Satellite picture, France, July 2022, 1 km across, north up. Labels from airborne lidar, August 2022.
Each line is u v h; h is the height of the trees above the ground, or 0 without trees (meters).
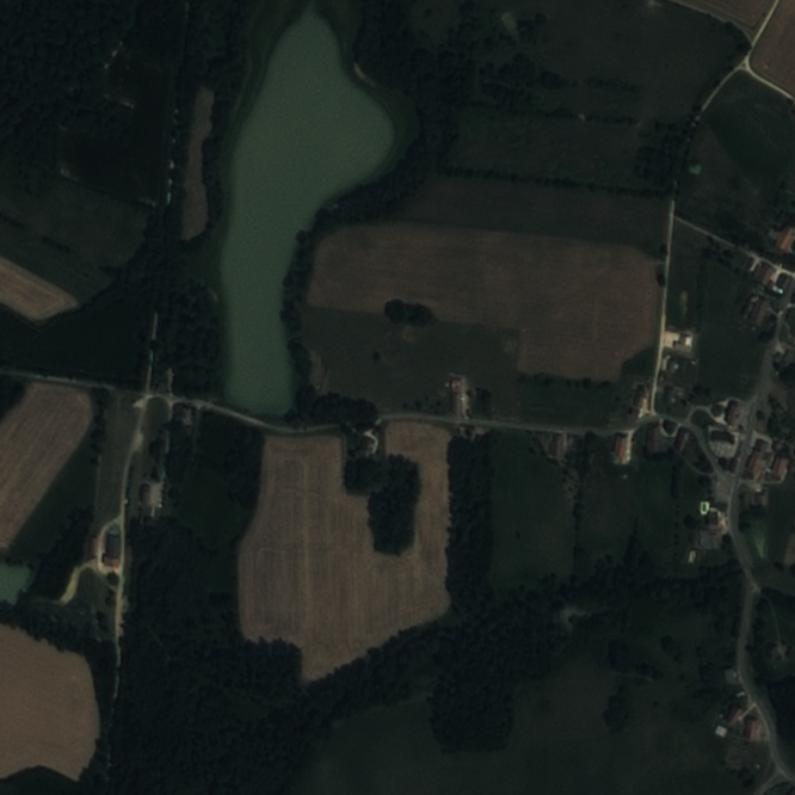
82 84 24
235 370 0
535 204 0
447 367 0
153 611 22
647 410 0
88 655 20
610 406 0
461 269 0
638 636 0
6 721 0
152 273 17
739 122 0
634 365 0
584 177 0
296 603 0
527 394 0
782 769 0
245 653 19
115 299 7
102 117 25
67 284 0
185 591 35
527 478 0
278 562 0
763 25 0
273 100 0
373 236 0
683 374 0
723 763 6
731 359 0
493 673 25
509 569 0
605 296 0
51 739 0
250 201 0
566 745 0
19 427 0
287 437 0
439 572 0
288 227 0
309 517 0
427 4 0
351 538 0
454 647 20
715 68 0
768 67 0
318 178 0
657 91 0
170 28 22
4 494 0
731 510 0
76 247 0
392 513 21
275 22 0
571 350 0
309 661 0
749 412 0
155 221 12
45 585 8
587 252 0
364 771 0
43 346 5
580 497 8
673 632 0
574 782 0
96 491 0
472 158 0
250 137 0
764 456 0
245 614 0
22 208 0
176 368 17
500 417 0
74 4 17
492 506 10
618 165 0
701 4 0
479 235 0
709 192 0
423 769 0
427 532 0
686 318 0
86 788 13
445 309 0
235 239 0
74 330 6
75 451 0
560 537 0
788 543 0
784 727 19
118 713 11
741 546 0
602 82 10
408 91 20
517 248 0
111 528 0
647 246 0
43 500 0
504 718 17
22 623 13
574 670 0
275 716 10
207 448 6
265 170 0
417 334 0
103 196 7
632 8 0
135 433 0
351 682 25
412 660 27
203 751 19
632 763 0
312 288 0
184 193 11
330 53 0
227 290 0
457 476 19
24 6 26
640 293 0
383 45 19
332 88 0
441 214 0
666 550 0
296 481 0
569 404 0
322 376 0
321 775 0
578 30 0
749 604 0
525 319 0
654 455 14
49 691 0
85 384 0
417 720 0
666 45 0
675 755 0
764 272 0
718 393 0
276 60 0
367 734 0
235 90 15
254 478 20
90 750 0
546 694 0
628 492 0
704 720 0
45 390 0
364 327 0
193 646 8
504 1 0
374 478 13
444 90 14
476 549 24
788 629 0
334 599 0
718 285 0
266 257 0
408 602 0
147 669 20
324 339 0
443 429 0
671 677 0
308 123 0
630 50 0
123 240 0
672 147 18
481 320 0
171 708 23
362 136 0
